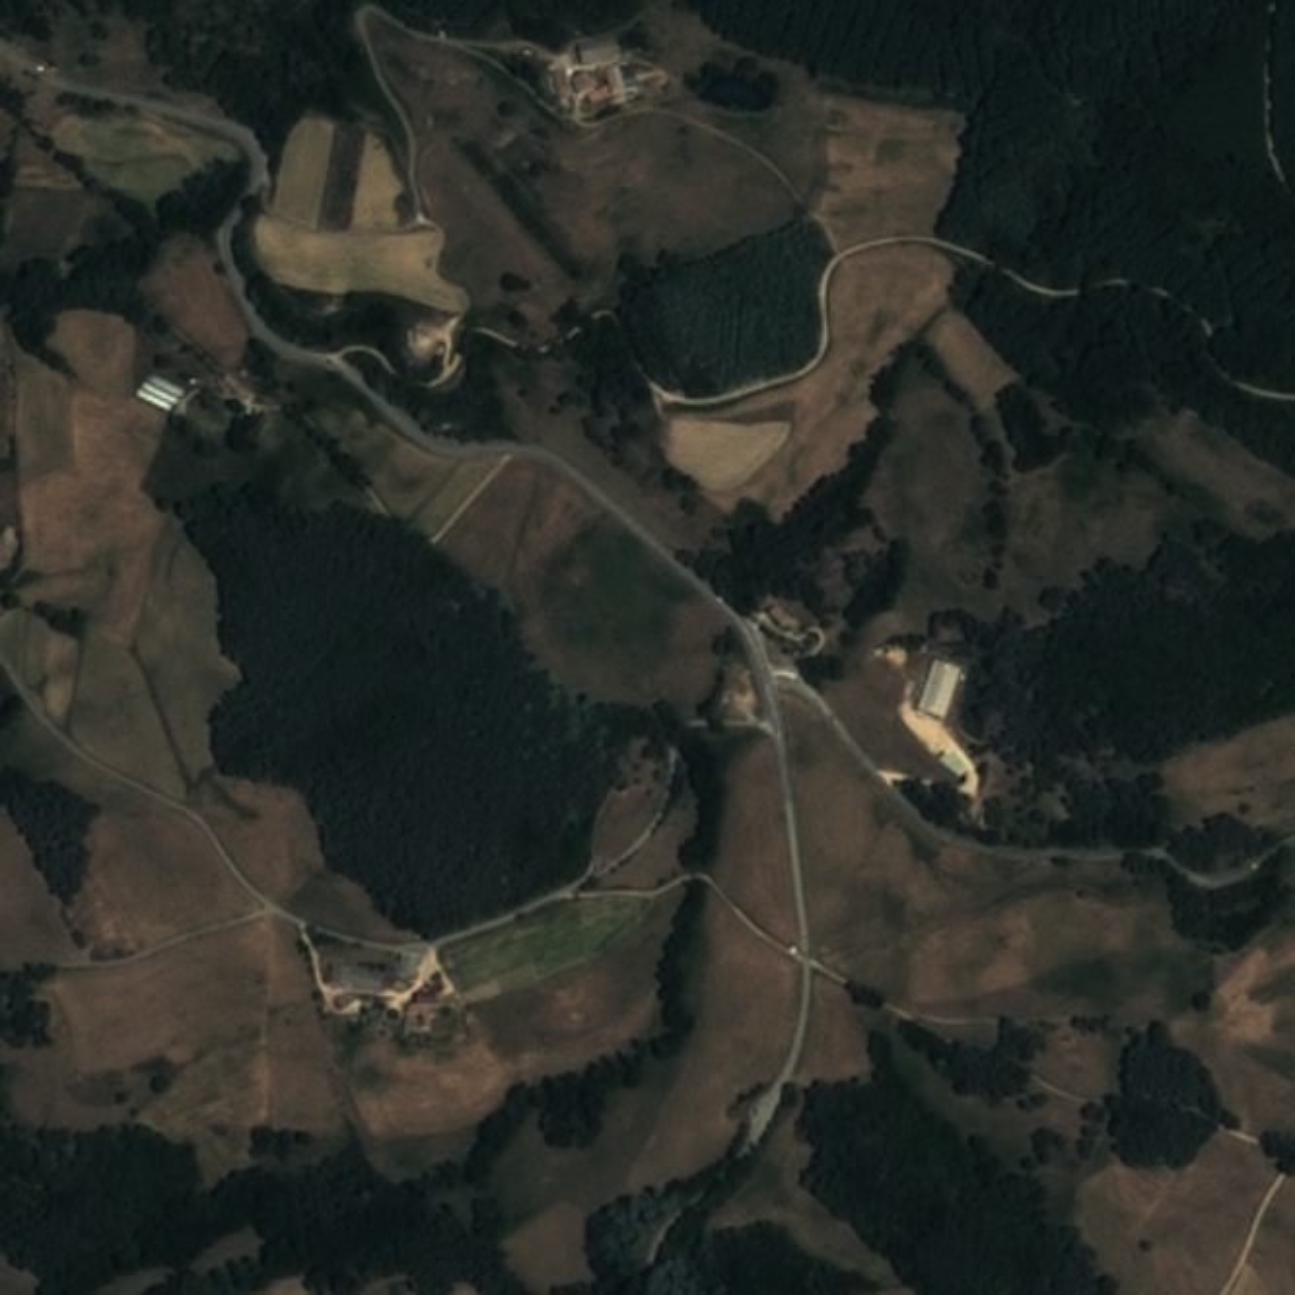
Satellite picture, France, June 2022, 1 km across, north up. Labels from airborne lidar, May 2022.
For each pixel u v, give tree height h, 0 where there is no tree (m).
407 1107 0
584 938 0
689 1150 0
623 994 0
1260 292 22
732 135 0
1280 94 13
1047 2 19
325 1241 27
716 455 0
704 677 0
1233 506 0
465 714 22
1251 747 0
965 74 21
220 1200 19
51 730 0
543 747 22
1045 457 13
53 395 0
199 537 20
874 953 0
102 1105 0
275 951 0
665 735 13
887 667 0
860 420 0
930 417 0
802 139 0
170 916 0
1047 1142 10
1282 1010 0
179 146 0
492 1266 14
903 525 0
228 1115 0
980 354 0
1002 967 0
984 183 20
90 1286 23
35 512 0
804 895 0
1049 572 0
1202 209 14
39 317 14
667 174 0
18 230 0
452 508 0
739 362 11
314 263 0
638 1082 18
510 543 0
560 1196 0
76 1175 18
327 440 11
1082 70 16
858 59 24
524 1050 0
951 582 0
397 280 0
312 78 18
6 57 0
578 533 0
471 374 11
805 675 10
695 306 10
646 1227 19
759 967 0
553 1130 11
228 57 15
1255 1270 0
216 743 11
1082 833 9
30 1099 0
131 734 0
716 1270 18
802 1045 0
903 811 0
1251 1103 0
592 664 0
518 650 17
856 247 0
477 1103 0
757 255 10
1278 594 14
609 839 0
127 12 10
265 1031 0
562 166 0
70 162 9
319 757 19
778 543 25
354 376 0
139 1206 21
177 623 0
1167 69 19
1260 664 23
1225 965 0
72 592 0
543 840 16
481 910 10
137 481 0
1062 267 10
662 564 0
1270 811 0
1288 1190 0
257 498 17
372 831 14
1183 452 0
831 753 0
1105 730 22
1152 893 0
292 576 20
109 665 0
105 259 22
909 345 6
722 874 0
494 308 0
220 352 0
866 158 0
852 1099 15
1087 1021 13
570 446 0
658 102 0
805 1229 0
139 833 0
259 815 0
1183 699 20
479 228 0
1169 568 17
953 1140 12
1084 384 9
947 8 18
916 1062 0
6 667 0
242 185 11
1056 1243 26
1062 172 10
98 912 0
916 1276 19
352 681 16
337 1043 0
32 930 0
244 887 0
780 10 25
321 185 0
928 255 0
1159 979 0
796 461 0
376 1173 8
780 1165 0
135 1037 0
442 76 0
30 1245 17
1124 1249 0
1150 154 20
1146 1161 8
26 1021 11
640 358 14
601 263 0
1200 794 0
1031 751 18
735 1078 0
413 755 18
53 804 17
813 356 9
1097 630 22
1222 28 18
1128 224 22
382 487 0
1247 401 10
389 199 0
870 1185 20
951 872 0
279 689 15
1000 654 17
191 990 0
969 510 0
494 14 17
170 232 13
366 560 20
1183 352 17
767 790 0
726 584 14
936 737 0
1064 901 0
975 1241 20
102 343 0
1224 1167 0
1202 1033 0
